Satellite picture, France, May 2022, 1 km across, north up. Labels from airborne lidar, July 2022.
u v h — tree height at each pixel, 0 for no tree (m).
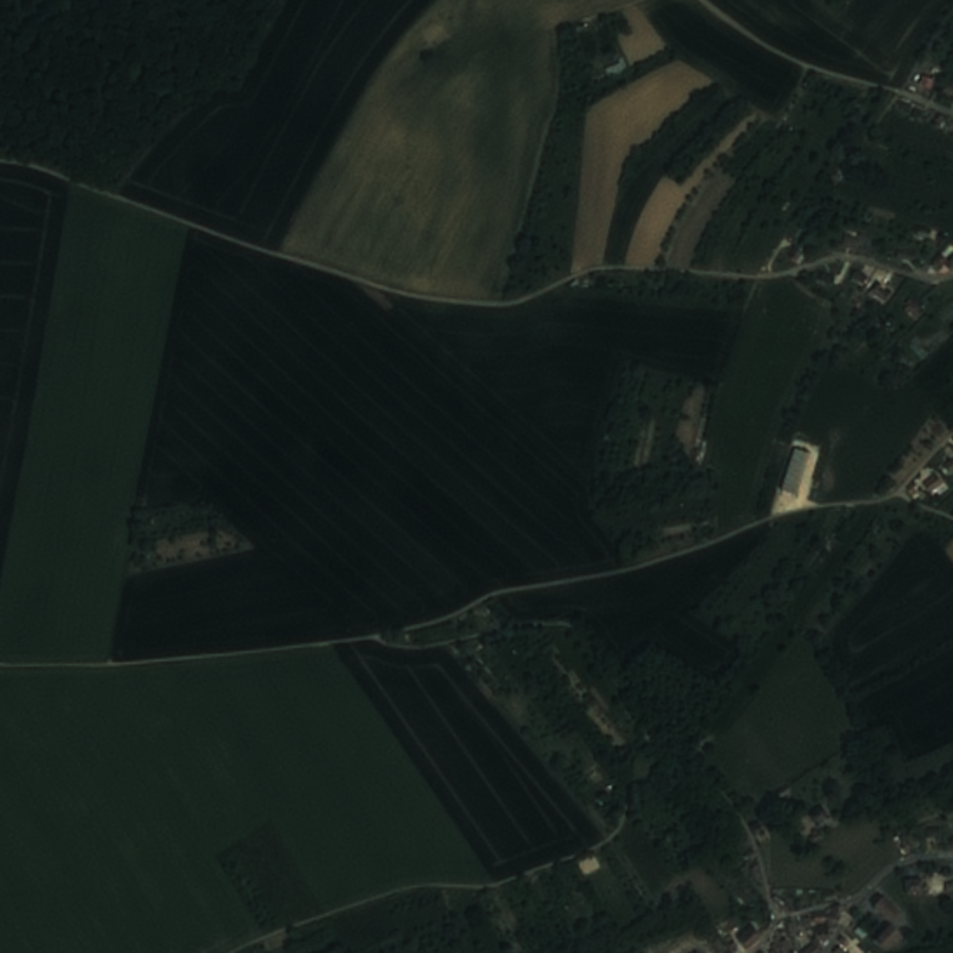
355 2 0
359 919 0
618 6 0
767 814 20
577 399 0
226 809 0
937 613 0
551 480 0
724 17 0
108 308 0
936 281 0
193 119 0
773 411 0
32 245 0
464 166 0
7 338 0
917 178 0
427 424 0
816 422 0
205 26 26
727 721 0
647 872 0
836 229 11
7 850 0
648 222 0
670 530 0
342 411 0
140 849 0
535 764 0
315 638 0
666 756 16
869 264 0
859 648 0
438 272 0
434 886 0
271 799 0
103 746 0
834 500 0
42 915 0
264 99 0
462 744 0
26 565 0
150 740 0
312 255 0
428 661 0
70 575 0
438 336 0
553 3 0
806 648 0
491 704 0
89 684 0
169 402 0
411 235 0
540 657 7
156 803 0
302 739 0
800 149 10
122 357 0
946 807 14
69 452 0
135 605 0
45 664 0
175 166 0
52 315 0
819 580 0
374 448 0
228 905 0
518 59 0
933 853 0
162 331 0
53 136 24
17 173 0
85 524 0
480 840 0
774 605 8
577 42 6
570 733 14
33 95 30
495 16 0
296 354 0
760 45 0
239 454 0
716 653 0
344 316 0
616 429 9
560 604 0
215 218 0
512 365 0
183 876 0
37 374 0
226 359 0
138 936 0
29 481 0
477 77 0
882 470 0
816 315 0
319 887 0
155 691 0
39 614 0
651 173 0
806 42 0
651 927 14
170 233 0
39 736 0
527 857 0
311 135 0
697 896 14
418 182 0
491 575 0
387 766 0
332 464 0
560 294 0
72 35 26
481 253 0
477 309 0
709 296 6
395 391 0
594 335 0
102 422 0
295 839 0
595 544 0
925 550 0
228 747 0
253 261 0
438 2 0
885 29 0
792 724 0
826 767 6
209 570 0
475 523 0
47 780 0
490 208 0
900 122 0
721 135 10
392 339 0
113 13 30
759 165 8
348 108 0
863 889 0
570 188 8
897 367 7
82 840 0
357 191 0
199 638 0
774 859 0
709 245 7
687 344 0
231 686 0
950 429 8
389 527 0
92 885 0
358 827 0
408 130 0
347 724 0
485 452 0
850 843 0
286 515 0
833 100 8
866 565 0
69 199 0
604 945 12
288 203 0
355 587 0
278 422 0
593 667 9
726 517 0
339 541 0
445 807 0
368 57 0
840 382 0
